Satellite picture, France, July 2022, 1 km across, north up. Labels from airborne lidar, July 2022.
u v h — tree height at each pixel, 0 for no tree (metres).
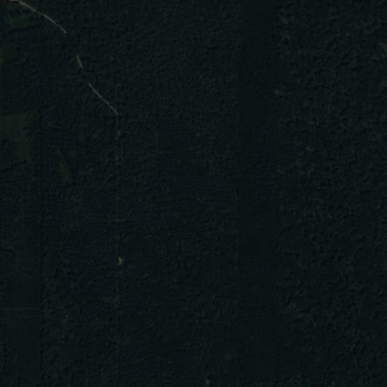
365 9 23
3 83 10
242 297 24
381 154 23
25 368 5
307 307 15
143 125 20
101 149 16
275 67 24
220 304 22
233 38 20
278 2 9
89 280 28
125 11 23
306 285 24
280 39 31
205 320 21
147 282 18
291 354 26
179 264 21
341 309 19
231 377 30
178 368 27
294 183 14
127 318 23
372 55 24
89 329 26
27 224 8
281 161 21
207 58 27
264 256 24
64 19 17
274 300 19
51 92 20
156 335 24
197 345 20
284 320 23
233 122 19
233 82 22
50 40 25
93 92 21
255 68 15
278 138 18
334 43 14
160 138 24
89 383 26
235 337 20
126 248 15
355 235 25
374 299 20
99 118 24
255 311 23
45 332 16
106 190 17
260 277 17
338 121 22
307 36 23
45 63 27
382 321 24
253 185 18
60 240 31
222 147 19
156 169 18
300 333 22
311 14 24
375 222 17
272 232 23
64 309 21
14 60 16
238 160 15
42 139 18
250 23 7
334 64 24
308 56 23
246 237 18
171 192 19
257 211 14
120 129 20
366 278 16
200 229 15
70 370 28
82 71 24
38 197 7
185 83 15
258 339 22
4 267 20
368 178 22
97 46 7
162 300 23
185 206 19
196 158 22
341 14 23
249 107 14
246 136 18
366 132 26
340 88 24
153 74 17
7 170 15
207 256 17
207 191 23
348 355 18
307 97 26
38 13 8
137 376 22
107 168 21
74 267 25
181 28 15
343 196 20
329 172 26
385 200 22
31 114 17
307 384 25
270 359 17
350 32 22
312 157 25
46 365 24
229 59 24
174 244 22
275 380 12
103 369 23
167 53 17
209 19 22
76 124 23
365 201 23
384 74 27
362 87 23
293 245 28
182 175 20
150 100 17
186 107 17
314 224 23
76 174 22
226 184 16
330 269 24
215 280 22
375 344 28
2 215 22
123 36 21
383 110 23
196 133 19
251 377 15
